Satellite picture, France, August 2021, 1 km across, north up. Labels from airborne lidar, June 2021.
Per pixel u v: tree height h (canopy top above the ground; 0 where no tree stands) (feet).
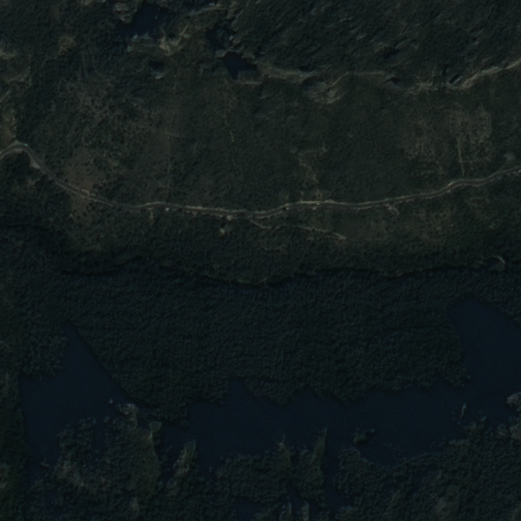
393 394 32
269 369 33
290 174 23
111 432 29
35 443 55
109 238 30
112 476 28
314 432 27
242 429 38
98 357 25
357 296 44
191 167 19
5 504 43
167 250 33
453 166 26
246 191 23
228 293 44
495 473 33
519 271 39
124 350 32
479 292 37
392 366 35
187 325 35
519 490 32
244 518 32
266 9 29
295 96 22
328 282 38
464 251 38
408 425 32
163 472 95
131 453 30
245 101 18
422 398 26
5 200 36
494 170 24
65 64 29
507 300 26
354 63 33
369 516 31
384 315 34
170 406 44
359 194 19
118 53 19
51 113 23
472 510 31
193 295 34
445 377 38
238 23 18
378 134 19
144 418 34
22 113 28
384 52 37
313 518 18
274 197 24
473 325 38
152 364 31
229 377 28
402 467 33
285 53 38
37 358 28
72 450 56
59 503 22
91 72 25
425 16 24
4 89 21
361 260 39
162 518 42
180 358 36
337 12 34
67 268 45
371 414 40
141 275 41
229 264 65
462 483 35
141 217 22
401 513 46
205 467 44
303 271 46
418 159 18
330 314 34
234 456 25
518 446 21
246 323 30
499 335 40
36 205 47
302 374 29
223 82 25
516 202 21
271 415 53
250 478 37
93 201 17
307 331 35
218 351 24
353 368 21
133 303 23
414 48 28
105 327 29
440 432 27
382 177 19
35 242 35
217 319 50
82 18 23
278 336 35
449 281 41
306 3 29
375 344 31
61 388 29
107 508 33
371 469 40
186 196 19
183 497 53
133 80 23
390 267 54
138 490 31
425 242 26
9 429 49
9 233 29
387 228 22
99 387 29
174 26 26
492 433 33
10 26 38
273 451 50
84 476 34
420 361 37
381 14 20
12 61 34
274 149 19
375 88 19
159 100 20
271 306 26
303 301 52
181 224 31
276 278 38
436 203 24
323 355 24
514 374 29
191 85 17
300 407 54
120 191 25
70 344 20
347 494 44
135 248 76
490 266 71
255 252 48
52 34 42
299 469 39
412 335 32
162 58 26
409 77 19
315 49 18
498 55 23
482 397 78
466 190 25
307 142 19
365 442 44
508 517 24
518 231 30
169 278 76
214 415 51
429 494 19
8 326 21
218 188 27
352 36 30
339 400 42
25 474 45
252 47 30
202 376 52
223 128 18
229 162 20
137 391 46
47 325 21
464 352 33
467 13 28
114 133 18
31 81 25
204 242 27
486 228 28
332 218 33
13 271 21
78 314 32
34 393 27
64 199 36
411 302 40
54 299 27
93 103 24
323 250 34
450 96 22
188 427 47
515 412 26
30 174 41
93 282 48
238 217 31
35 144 24
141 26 19
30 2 33
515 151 26
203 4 25
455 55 22
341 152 26
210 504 41
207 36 29
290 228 19
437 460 29
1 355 21
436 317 29
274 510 36
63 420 26
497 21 37
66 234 38
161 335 36
